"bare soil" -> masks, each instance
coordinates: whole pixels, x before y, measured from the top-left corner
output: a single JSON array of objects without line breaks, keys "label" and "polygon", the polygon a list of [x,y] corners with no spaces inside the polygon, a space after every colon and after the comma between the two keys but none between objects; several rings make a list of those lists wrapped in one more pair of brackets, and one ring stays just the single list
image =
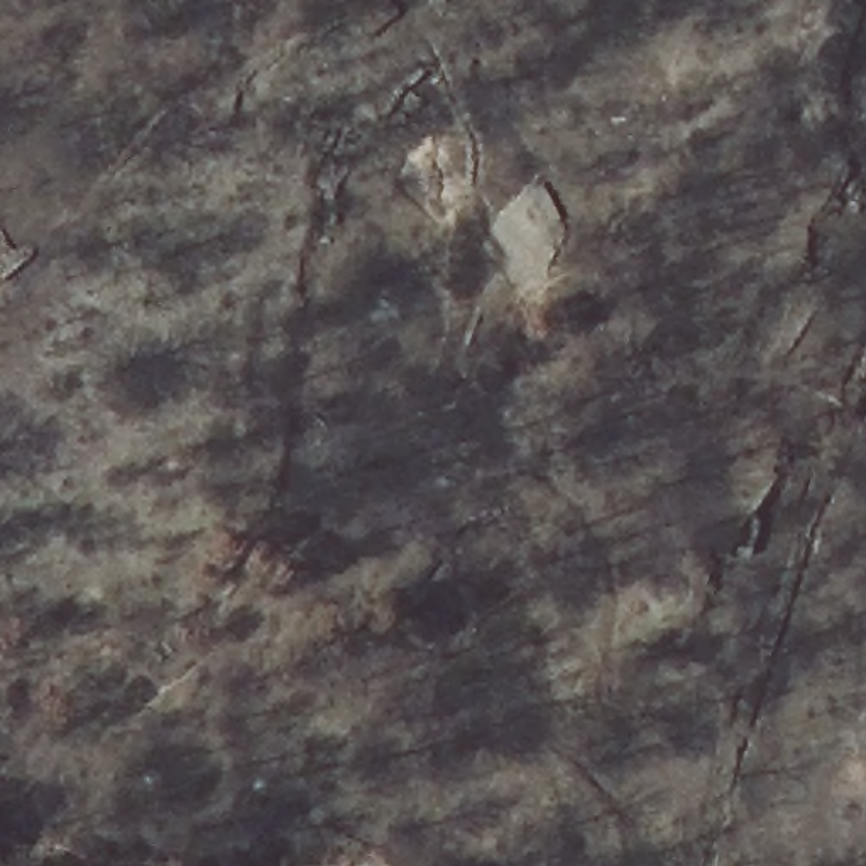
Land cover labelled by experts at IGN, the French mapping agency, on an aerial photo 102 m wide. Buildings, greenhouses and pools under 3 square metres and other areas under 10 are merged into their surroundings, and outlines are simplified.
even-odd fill
[{"label": "bare soil", "polygon": [[91,849],[98,839],[145,839],[156,856],[186,859],[183,866],[866,866],[866,0],[0,0],[0,863],[10,859],[20,846],[34,846],[41,859],[71,852],[74,859],[88,863],[95,856]]}]

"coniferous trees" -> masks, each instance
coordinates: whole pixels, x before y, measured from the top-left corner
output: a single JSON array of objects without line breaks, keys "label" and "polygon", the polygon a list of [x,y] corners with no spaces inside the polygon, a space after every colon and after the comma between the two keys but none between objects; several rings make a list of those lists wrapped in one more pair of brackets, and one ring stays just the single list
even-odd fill
[{"label": "coniferous trees", "polygon": [[145,839],[98,839],[91,849],[95,856],[88,863],[74,859],[71,852],[41,859],[34,846],[20,846],[10,859],[0,863],[0,866],[183,866],[186,859],[156,856]]}]

